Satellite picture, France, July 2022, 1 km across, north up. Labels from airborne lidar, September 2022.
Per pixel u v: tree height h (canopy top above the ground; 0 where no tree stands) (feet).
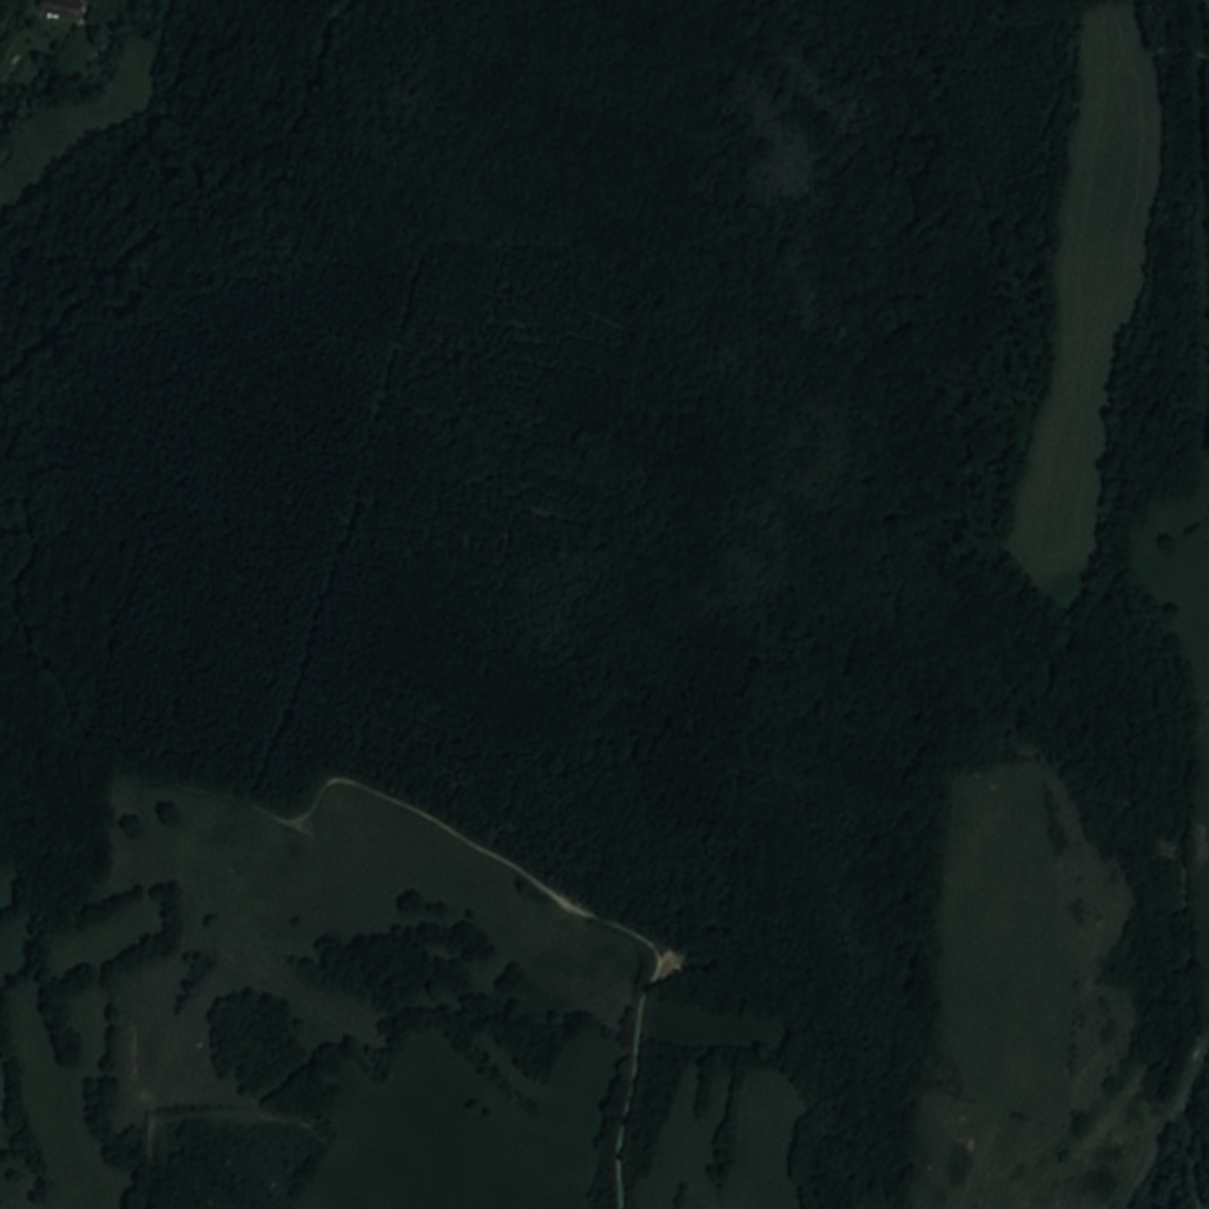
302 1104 37
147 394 60
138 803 0
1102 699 73
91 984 47
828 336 40
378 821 0
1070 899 0
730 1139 42
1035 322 64
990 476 67
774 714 67
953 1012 0
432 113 31
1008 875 0
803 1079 44
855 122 26
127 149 28
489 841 35
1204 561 0
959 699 26
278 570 63
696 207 49
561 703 52
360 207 37
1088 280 0
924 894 70
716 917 65
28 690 58
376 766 40
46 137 0
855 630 65
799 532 37
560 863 21
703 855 68
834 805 39
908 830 90
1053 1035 0
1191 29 55
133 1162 48
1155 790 54
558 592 20
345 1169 0
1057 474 0
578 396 57
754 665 51
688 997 48
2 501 38
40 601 77
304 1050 25
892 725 56
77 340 83
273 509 61
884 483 59
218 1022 36
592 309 41
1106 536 54
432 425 23
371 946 62
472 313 44
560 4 61
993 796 0
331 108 68
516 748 42
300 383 64
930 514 62
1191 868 30
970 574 67
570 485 45
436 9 60
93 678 57
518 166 52
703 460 51
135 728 72
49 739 63
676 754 53
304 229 35
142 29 29
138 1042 0
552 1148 0
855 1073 43
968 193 67
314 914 0
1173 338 76
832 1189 46
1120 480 45
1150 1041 57
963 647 65
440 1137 0
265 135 56
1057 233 48
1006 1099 0
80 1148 0
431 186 46
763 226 35
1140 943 34
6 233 73
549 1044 35
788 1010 58
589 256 44
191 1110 19
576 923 0
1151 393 54
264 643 70
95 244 67
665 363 39
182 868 0
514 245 38
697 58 61
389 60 50
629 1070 35
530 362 28
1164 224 55
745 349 40
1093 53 0
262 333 65
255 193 90
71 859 59
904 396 68
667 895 58
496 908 0
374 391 66
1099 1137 0
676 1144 0
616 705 55
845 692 80
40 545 73
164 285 87
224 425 74
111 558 64
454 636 41
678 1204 25
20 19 45
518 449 38
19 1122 54
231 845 0
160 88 35
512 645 26
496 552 37
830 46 52
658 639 42
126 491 84
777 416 31
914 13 76
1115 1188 0
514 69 62
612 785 61
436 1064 0
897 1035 48
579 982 0
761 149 45
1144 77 0
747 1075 22
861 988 18
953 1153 0
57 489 71
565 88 48
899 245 86
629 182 51
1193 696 59
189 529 83
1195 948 23
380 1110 0
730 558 19
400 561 73
